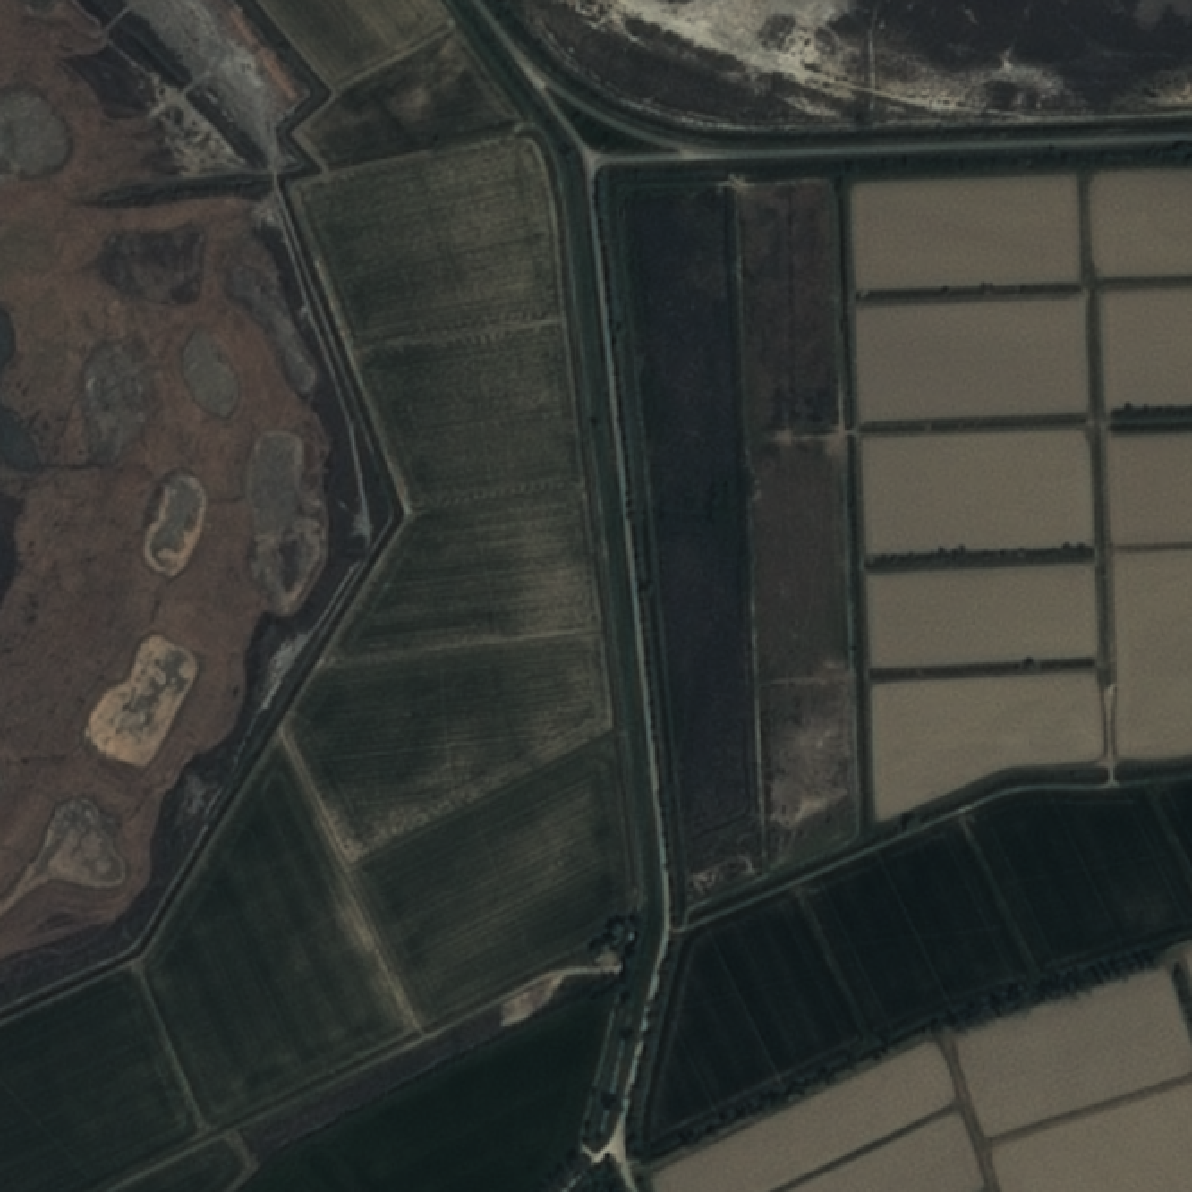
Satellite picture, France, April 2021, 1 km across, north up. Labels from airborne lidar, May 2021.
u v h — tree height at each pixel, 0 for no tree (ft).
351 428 0
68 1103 0
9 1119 0
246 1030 0
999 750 0
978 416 0
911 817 26
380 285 0
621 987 31
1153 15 0
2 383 0
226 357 0
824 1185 0
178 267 0
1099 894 0
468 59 0
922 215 0
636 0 0
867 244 0
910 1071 0
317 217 0
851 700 0
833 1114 0
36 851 0
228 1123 0
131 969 0
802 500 0
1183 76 0
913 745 0
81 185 0
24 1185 0
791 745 0
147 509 0
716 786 0
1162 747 0
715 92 0
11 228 0
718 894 0
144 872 0
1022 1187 0
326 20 0
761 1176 0
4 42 0
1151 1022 0
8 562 0
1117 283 0
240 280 0
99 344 0
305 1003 0
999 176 0
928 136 0
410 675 0
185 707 0
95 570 0
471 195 0
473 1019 0
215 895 0
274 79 0
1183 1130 0
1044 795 0
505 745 0
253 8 0
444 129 0
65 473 0
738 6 0
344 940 0
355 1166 0
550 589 0
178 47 0
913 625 0
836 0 0
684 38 0
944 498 0
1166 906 0
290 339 0
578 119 20
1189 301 0
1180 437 0
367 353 0
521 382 0
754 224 0
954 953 0
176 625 0
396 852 0
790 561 0
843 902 0
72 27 0
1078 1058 0
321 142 0
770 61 0
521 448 0
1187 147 32
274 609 0
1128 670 0
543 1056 0
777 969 0
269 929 0
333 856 0
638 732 0
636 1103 35
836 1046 0
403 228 0
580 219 0
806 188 0
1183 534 0
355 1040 0
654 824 0
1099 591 0
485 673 0
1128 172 0
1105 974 18
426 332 0
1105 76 0
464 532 0
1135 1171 0
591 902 0
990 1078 0
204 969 0
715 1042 0
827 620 0
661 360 0
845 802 0
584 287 0
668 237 0
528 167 0
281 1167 0
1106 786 0
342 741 0
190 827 0
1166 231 0
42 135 0
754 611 0
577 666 0
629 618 0
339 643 0
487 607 0
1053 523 0
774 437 0
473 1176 0
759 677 0
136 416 0
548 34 0
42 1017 0
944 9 0
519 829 0
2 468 0
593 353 0
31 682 0
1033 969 0
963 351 0
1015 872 0
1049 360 0
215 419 0
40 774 0
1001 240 0
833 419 0
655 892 0
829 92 0
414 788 0
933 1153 0
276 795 0
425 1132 0
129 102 0
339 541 0
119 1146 0
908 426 0
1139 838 0
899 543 0
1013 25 0
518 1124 0
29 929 0
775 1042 0
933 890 0
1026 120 0
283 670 0
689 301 0
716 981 0
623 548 0
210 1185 0
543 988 0
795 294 0
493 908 0
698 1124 0
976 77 0
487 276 0
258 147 0
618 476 0
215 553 0
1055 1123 0
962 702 0
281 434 0
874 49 0
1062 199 0
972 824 0
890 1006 0
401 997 0
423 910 0
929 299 0
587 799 0
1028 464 0
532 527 0
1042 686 0
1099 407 0
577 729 0
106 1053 0
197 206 0
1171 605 0
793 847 0
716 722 0
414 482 0
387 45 0
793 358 0
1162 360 0
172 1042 0
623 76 0
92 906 0
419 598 0
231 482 0
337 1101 0
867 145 0
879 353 0
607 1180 34
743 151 0
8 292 0
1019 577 0
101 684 0
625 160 0
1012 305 0
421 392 0
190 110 0
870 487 0
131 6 0
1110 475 0
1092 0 0
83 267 0
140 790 0
